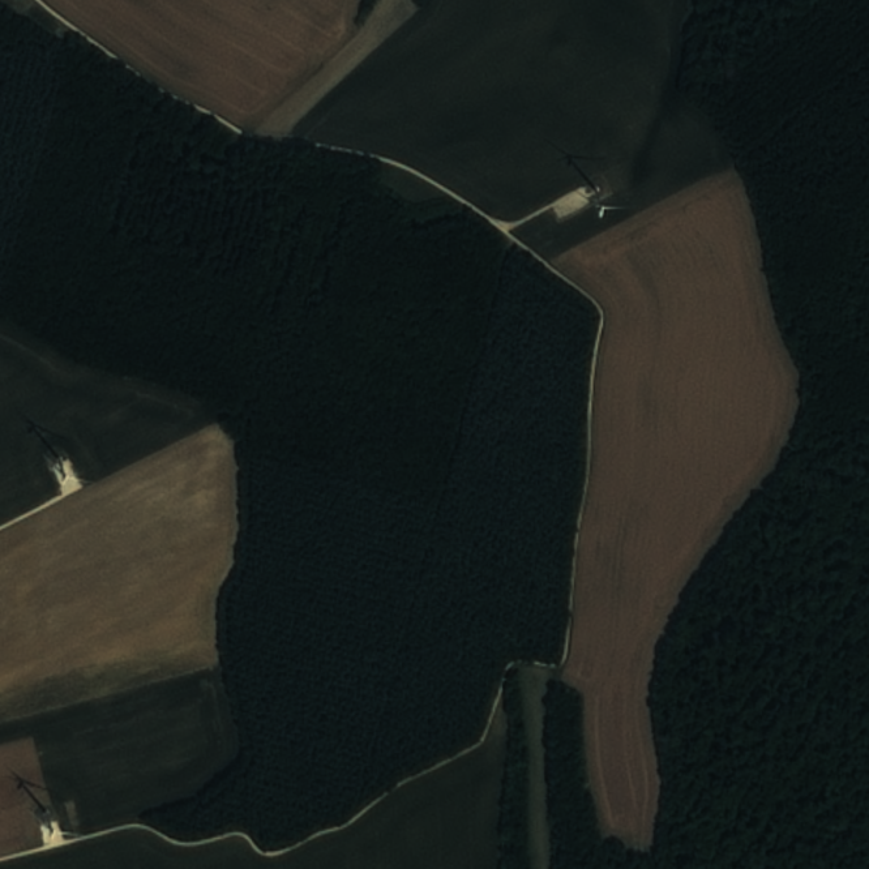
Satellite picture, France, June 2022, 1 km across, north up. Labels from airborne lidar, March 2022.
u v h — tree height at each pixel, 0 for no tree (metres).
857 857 20
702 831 18
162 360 18
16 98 21
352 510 23
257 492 23
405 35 0
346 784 21
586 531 0
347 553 22
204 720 0
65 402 0
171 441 0
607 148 0
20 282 19
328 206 14
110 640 0
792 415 0
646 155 0
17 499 0
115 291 15
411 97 0
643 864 17
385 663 18
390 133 0
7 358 0
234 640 21
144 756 0
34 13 0
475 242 17
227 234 17
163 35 0
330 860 0
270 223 20
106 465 0
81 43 15
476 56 0
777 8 24
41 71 18
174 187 14
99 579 0
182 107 22
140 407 0
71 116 12
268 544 23
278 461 21
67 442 0
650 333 0
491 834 0
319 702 21
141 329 15
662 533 0
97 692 0
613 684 0
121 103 14
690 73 19
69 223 16
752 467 0
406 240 17
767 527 22
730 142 10
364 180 20
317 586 23
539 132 0
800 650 8
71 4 0
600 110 0
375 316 12
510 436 18
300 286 15
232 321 13
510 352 18
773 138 20
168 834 9
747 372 0
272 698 22
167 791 0
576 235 0
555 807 19
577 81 0
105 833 0
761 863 15
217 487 0
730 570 20
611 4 0
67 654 0
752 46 20
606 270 0
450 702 20
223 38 0
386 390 12
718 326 0
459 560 21
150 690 0
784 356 0
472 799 0
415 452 14
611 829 0
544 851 0
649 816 0
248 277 16
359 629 22
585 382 10
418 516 21
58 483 0
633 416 0
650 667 0
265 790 21
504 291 19
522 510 22
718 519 0
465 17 0
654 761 0
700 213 0
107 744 0
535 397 18
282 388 15
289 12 0
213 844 0
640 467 0
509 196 0
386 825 0
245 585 21
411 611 21
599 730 0
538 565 21
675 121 0
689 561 0
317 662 19
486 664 22
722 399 0
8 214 17
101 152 11
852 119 21
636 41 0
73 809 0
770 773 16
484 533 21
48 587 0
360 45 0
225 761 0
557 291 19
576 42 0
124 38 0
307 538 22
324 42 0
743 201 0
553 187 0
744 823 19
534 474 18
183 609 0
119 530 0
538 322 18
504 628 20
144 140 19
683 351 0
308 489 23
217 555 0
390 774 18
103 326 17
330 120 0
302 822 18
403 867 0
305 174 16
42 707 0
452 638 25
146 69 0
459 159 0
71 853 0
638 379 0
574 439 19
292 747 22
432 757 11
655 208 0
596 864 26
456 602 21
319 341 14
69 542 0
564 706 11
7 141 19
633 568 0
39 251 15
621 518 0
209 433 0
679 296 0
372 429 16
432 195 0
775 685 11
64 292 15
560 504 18
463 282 13
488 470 19
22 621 0
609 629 0
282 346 11
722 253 0
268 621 23
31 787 0
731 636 25
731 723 18
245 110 0
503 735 0
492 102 0
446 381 11
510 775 14
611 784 0
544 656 11
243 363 15
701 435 0
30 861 0
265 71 0
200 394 17
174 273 14
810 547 15
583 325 16
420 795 0
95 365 9
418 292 13
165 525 0
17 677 0
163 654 0
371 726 16
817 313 12
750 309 0
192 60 0
